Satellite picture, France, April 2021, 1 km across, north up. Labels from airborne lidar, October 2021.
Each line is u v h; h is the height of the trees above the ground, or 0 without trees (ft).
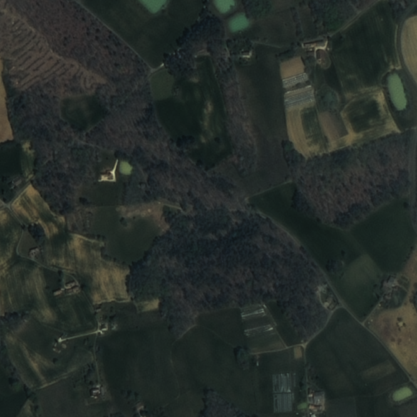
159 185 62
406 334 0
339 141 0
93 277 0
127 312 0
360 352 0
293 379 0
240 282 46
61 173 45
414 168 0
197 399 0
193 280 86
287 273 68
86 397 0
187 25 0
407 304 0
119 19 0
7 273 0
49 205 27
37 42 0
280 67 0
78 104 0
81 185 63
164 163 63
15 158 0
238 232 50
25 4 45
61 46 28
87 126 0
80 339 0
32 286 0
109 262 38
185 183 56
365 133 0
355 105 0
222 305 87
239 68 0
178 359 0
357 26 0
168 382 0
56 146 64
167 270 60
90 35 30
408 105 19
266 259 62
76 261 0
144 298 75
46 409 0
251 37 0
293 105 0
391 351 0
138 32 0
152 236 0
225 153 0
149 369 0
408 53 0
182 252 77
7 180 37
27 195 0
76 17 27
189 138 0
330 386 0
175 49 0
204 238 66
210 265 42
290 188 0
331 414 0
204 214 72
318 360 0
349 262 0
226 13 0
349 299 0
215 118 0
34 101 49
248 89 0
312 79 0
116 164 0
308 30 0
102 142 55
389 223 0
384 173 27
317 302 47
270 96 0
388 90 32
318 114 0
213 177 58
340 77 0
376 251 0
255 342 0
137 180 39
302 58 0
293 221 0
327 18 75
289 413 0
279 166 0
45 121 42
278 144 0
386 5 0
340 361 0
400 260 0
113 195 0
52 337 0
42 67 0
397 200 83
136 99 69
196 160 0
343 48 0
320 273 63
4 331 58
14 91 0
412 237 0
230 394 0
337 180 75
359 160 74
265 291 45
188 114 0
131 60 32
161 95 0
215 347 0
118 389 0
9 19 0
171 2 0
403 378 0
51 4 19
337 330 0
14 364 0
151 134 60
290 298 75
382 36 0
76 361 0
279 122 0
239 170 41
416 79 0
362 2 52
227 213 53
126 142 44
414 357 0
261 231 51
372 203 44
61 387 0
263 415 0
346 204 42
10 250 0
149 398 0
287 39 0
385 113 0
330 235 0
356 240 0
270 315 0
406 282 0
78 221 0
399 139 76
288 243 36
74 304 0
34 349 0
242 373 0
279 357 0
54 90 39
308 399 0
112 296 0
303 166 58
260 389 0
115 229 0
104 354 0
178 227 79
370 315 0
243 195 44
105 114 39
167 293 69
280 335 0
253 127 0
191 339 0
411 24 0
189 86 0
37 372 0
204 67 0
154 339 0
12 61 0
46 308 0
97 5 0
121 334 0
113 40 34
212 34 93
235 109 59
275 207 0
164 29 0
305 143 0
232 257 78
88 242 0
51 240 0
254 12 76
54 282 0
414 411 0
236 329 0
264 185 0
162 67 0
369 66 0
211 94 0
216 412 76
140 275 84
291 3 0
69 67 0
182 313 60
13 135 29
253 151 58
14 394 0
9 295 0
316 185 50
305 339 61
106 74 32
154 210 0
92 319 0
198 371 0
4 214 0
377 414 0
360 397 0
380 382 0
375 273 0
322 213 43
